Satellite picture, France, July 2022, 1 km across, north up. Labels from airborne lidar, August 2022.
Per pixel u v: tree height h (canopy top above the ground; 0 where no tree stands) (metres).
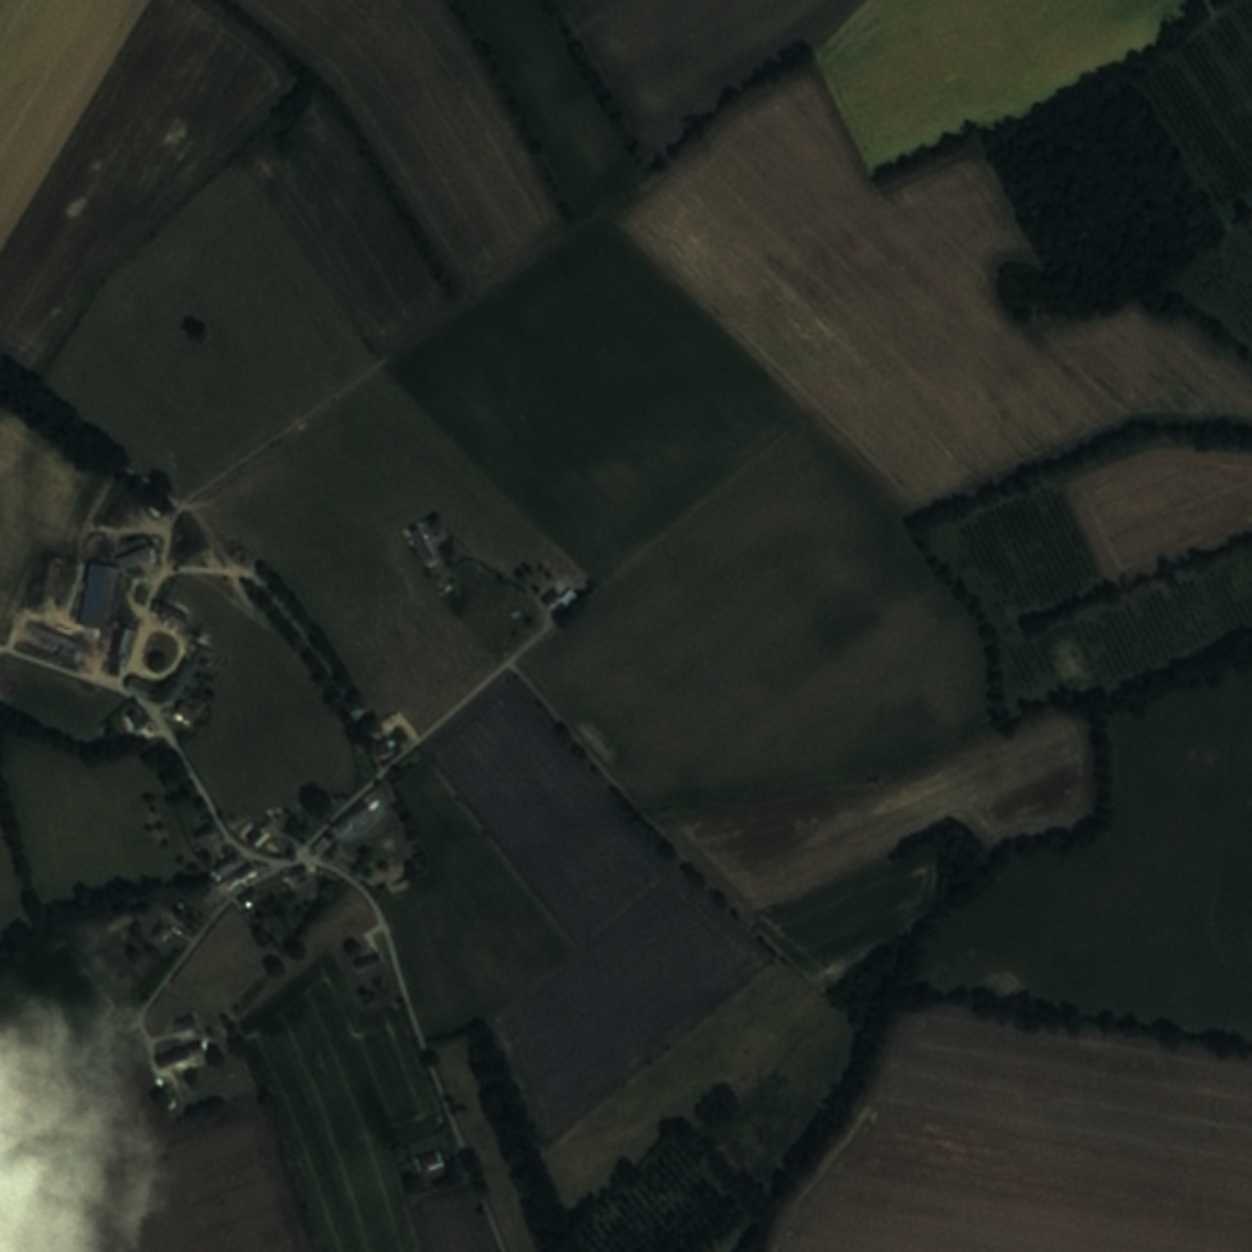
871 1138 0
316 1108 0
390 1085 0
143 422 0
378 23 0
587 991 0
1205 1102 0
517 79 0
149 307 0
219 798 0
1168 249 23
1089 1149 0
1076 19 0
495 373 0
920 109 0
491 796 0
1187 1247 0
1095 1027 7
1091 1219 0
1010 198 8
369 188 0
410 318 0
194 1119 13
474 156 0
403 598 0
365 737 11
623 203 0
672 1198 24
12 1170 0
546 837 0
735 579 0
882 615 0
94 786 0
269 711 0
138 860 0
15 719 18
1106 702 16
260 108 0
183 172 0
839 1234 0
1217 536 0
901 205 0
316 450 0
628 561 0
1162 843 0
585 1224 14
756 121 0
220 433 0
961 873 24
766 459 0
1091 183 21
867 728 0
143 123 0
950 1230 0
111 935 0
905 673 0
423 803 0
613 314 0
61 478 0
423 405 0
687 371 0
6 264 0
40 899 13
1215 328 14
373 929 0
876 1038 19
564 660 0
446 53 0
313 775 0
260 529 0
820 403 0
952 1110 0
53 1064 0
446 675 0
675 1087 0
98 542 0
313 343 0
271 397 0
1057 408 0
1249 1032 0
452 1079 0
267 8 0
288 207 0
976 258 0
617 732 0
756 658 0
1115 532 0
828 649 0
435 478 0
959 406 0
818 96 0
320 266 0
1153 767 0
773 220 0
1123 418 0
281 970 15
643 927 0
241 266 0
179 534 0
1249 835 0
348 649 0
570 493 0
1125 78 18
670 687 0
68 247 0
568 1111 0
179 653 0
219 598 0
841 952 0
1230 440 17
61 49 0
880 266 0
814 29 0
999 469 0
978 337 0
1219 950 0
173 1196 0
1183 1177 0
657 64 0
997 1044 0
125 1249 0
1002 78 0
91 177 0
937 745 0
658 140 0
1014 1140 0
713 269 0
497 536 0
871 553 0
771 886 0
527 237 0
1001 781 0
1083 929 0
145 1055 0
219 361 0
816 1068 0
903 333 0
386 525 0
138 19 0
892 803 0
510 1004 0
